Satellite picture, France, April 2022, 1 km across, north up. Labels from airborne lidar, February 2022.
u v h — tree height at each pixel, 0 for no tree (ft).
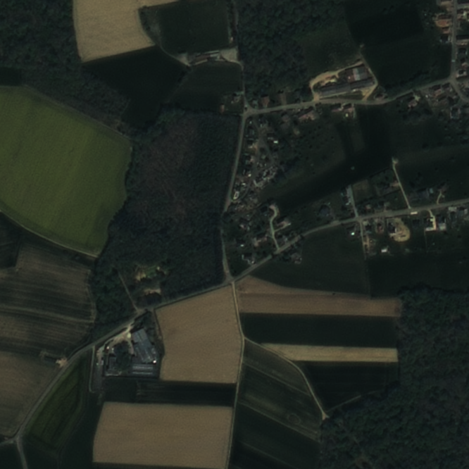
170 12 0
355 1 0
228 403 0
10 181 0
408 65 0
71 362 0
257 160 0
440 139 0
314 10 81
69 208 0
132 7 0
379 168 0
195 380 0
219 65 0
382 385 0
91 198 0
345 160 0
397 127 0
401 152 0
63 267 0
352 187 0
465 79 30
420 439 81
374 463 84
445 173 0
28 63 87
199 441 0
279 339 0
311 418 0
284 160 0
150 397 0
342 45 0
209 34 0
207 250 70
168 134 76
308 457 0
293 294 0
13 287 0
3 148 0
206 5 0
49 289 0
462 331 104
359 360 0
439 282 0
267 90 27
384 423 79
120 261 65
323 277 0
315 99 0
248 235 0
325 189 0
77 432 0
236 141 49
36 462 0
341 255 0
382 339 0
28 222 0
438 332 103
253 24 91
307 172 0
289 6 94
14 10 69
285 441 0
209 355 0
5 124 0
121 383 0
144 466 0
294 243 0
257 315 0
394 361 0
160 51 0
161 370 0
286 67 97
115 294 77
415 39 0
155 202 73
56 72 68
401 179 0
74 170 0
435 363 44
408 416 93
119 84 0
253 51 81
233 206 31
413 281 0
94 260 0
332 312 0
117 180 0
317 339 0
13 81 0
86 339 0
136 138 63
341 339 0
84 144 0
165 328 0
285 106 0
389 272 0
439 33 0
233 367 0
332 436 47
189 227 80
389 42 0
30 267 0
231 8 32
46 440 0
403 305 27
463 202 0
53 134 0
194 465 0
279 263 0
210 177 56
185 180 57
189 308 0
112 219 0
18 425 0
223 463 0
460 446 84
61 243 0
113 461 0
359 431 68
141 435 0
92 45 0
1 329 0
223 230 60
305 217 0
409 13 0
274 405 0
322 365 0
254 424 0
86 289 0
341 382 0
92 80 48
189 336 0
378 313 0
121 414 0
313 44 0
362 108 0
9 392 0
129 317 36
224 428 0
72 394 0
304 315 0
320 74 0
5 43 61
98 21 0
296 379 0
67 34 98
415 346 95
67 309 0
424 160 0
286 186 0
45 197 0
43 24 103
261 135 0
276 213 0
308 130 0
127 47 0
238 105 0
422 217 0
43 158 0
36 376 0
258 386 0
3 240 0
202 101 0
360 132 0
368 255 24
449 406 98
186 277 68
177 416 0
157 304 46
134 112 0
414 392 90
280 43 102
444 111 0
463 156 0
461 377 104
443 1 0
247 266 0
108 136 0
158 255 63
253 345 0
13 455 0
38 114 0
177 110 35
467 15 0
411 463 77
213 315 0
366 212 39
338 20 79
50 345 0
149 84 0
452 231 0
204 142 65
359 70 0
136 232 85
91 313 0
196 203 73
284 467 0
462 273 0
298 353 0
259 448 0
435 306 50
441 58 0
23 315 0
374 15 0
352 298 0
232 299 0
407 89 33
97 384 0
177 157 66
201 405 0
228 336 0
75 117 0
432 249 0
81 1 0
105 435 0
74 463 0
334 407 0
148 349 0
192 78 0
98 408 0
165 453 0
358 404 0
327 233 0
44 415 0
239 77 0
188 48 0
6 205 0
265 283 0
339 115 0
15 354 0
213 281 76
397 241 0
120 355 67
